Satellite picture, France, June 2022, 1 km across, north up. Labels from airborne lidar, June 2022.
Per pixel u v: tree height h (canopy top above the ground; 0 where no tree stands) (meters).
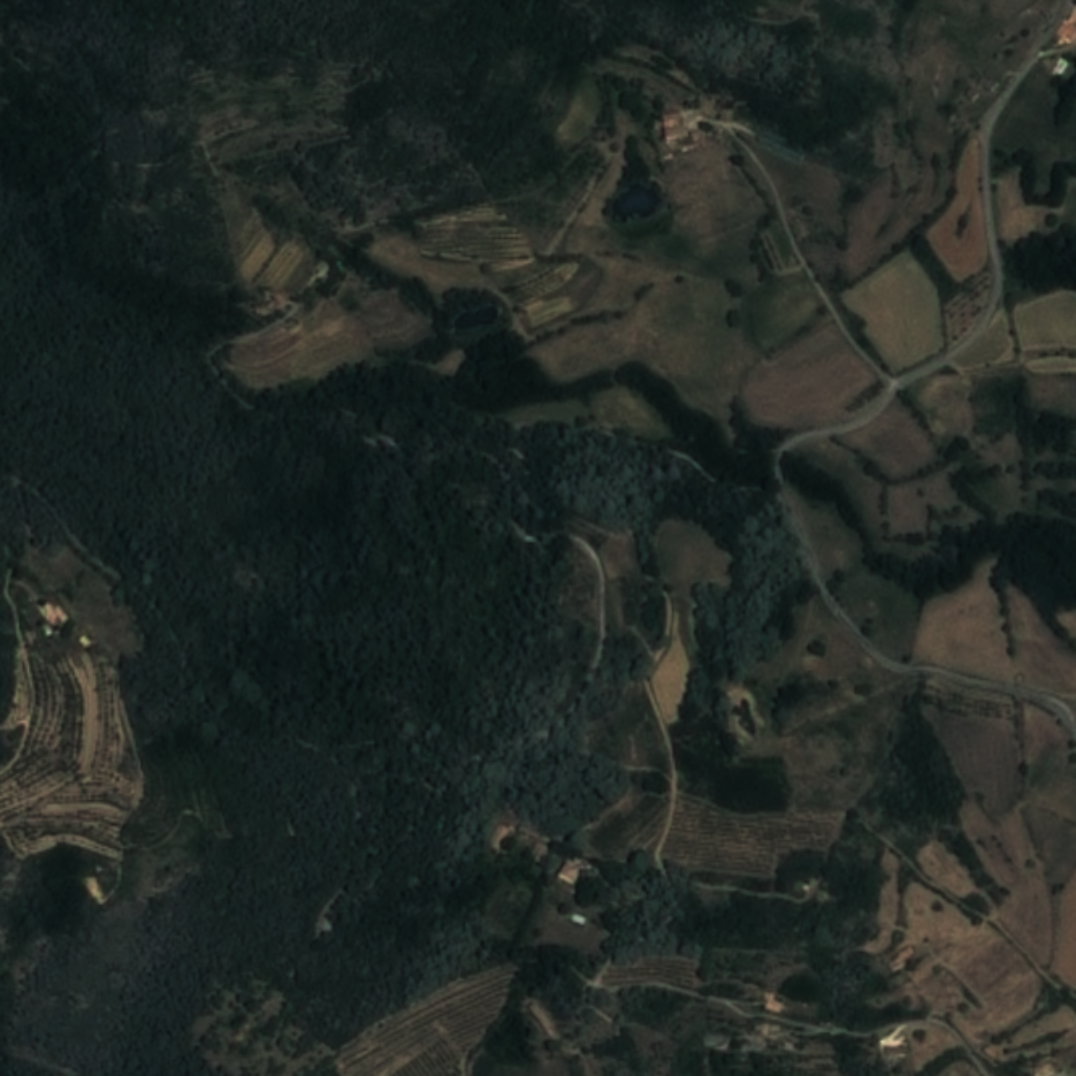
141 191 9
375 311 0
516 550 17
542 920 0
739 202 0
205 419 16
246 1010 10
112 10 13
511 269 0
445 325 10
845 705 0
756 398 0
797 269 0
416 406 19
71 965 14
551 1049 15
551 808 20
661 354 0
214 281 9
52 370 21
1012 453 0
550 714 19
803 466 13
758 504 11
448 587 12
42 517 13
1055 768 0
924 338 0
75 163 10
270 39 16
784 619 18
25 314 24
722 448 11
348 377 23
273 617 12
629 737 0
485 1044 7
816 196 0
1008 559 13
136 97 13
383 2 7
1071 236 9
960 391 0
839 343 0
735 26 10
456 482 13
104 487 17
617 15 7
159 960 14
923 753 8
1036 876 0
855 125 7
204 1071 16
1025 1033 0
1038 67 0
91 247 12
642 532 9
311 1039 12
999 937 0
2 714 7
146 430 13
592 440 18
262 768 14
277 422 16
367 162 10
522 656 15
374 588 10
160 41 16
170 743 13
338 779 16
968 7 0
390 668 14
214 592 21
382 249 0
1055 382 0
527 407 0
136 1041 13
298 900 15
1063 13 0
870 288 0
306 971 11
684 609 0
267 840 6
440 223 0
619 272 0
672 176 0
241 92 0
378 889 8
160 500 7
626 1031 10
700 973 9
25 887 8
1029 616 0
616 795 20
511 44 7
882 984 6
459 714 18
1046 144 0
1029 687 0
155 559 24
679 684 0
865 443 0
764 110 7
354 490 19
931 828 7
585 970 8
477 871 16
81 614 0
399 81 8
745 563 15
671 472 24
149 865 0
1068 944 0
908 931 0
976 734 0
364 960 11
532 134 9
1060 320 0
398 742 13
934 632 0
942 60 0
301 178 13
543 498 19
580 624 6
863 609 0
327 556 17
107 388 17
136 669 14
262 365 0
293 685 21
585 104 0
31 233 25
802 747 0
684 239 0
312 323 0
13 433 20
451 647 16
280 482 18
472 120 15
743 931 6
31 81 8
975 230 0
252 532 17
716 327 0
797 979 8
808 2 0
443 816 18
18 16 7
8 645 11
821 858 0
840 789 0
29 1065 15
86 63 14
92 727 0
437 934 15
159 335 14
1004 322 0
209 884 8
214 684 13
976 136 0
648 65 8
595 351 0
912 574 21
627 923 16
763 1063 9
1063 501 14
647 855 18
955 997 0
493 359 19
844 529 0
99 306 20
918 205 0
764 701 0
